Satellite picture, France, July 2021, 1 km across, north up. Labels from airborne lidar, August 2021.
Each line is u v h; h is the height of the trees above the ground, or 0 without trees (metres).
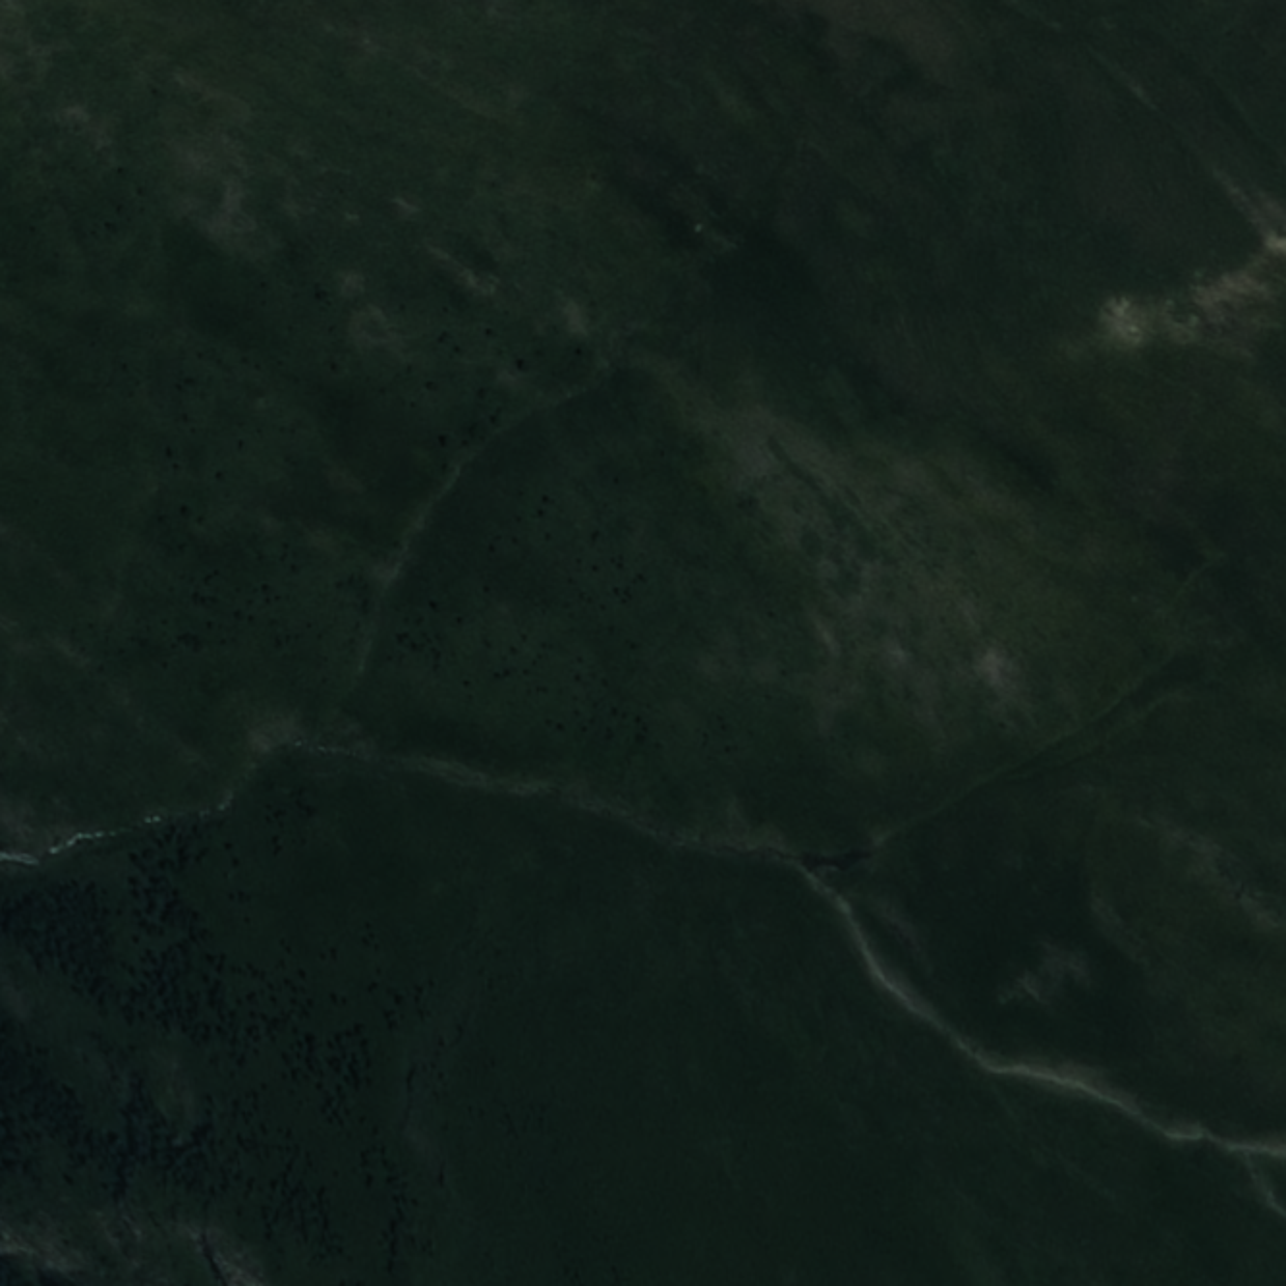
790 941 0
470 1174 0
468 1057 0
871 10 0
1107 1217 0
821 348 0
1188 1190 0
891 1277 0
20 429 0
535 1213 0
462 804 0
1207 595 0
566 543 0
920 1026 0
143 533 0
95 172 0
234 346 0
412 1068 0
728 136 0
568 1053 0
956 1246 0
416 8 0
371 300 0
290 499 0
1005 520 0
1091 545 0
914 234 0
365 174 0
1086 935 0
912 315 0
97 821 0
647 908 0
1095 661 0
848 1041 0
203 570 0
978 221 0
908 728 0
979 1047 0
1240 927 0
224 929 0
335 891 0
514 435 0
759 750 0
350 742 0
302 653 0
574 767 0
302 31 0
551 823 0
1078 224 0
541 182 0
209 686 0
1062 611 0
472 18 0
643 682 0
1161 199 0
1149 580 0
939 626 0
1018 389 0
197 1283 0
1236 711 0
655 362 0
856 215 0
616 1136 0
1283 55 0
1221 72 0
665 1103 0
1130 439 0
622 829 0
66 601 0
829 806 0
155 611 0
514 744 0
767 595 0
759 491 0
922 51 0
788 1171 0
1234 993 0
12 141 0
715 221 0
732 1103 0
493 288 0
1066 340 0
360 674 0
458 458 0
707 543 0
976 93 0
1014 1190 0
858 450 0
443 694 0
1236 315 0
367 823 0
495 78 0
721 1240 0
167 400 0
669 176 0
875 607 0
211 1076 0
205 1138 11
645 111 0
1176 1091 0
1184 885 0
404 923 0
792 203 0
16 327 0
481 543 0
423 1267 0
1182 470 0
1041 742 0
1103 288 0
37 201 0
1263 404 0
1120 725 0
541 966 0
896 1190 0
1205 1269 0
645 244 0
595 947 0
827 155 0
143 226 0
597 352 0
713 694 0
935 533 0
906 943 0
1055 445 0
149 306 0
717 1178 0
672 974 0
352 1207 0
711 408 0
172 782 0
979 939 0
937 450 0
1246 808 0
